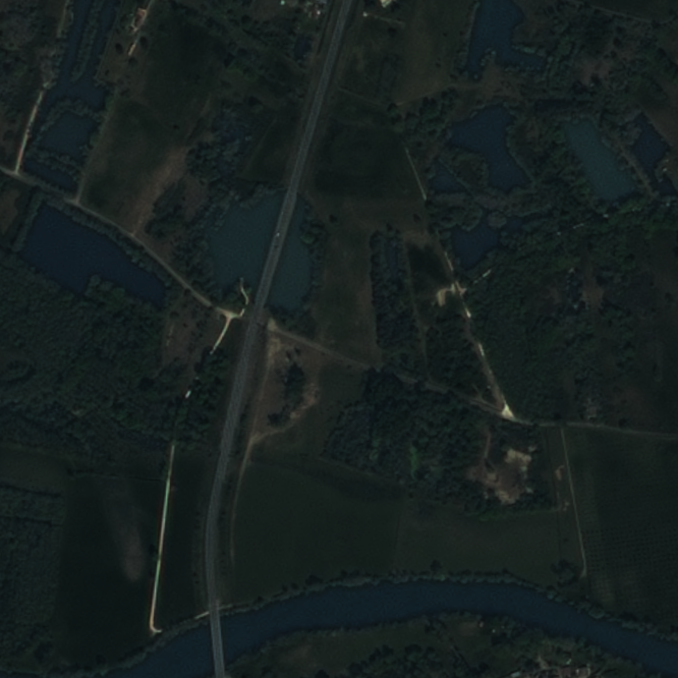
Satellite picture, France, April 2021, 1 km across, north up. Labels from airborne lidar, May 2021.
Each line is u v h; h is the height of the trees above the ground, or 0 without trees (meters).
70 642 0
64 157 10
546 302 0
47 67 13
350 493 0
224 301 12
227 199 11
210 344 0
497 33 0
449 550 0
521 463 0
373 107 0
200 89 0
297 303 0
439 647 0
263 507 0
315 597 0
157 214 7
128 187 0
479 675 14
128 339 15
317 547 0
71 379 25
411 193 0
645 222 18
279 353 0
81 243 0
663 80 0
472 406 8
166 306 12
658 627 10
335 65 0
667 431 0
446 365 6
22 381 8
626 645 0
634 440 0
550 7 0
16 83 11
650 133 0
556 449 0
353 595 0
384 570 0
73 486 0
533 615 0
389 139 0
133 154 0
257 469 0
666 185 0
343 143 0
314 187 0
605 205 10
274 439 0
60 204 21
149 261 13
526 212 8
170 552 0
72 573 0
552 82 10
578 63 14
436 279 0
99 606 0
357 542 0
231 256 0
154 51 0
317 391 0
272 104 0
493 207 14
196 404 15
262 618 0
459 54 6
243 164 7
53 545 13
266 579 0
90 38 10
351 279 0
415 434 16
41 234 0
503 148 0
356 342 0
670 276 0
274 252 0
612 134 16
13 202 0
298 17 9
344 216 0
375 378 8
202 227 8
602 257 15
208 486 0
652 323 0
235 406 0
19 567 13
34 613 17
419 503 0
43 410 8
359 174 0
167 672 0
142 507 0
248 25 11
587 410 9
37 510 11
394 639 0
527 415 13
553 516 0
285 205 0
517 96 0
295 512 0
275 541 0
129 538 0
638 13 0
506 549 0
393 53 0
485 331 16
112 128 0
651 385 0
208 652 0
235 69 13
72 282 0
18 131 0
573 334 15
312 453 0
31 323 17
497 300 17
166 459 19
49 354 20
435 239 20
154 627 0
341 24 0
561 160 13
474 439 9
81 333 22
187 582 0
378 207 0
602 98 12
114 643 0
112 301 19
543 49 8
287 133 0
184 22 0
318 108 0
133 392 23
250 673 0
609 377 0
